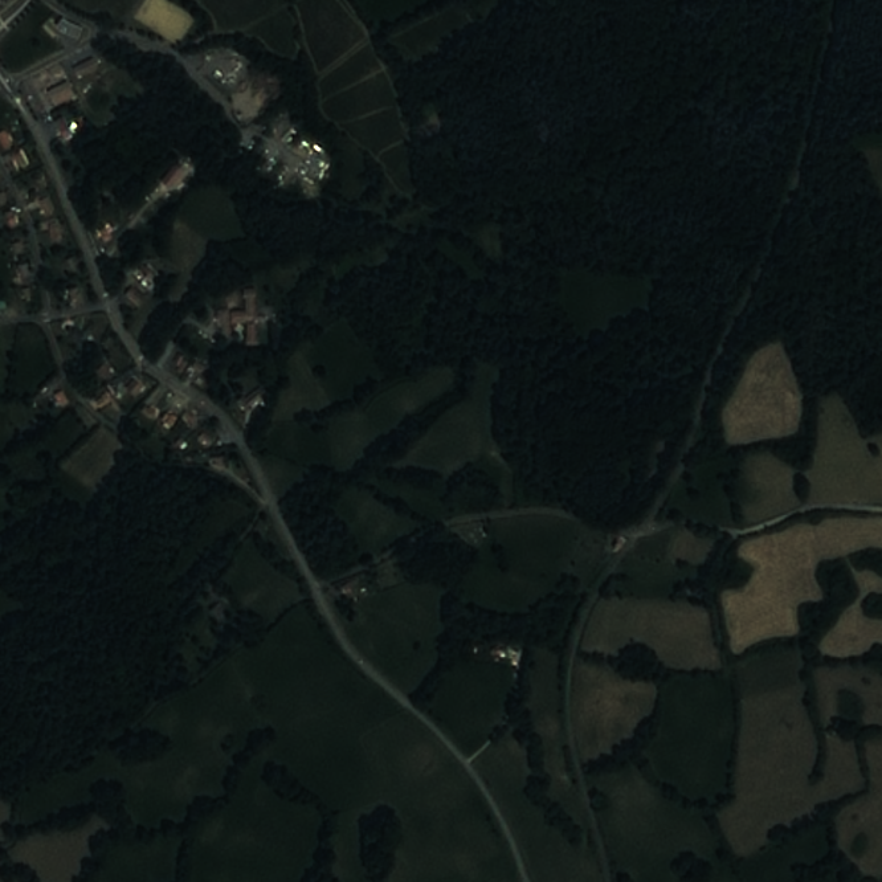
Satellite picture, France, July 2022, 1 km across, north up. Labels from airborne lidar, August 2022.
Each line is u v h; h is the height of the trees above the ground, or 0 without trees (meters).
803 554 0
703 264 11
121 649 18
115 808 18
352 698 0
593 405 30
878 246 17
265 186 14
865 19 23
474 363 15
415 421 12
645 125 19
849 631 0
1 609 0
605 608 0
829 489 0
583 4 20
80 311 0
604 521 18
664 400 27
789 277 16
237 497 7
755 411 0
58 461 7
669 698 0
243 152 11
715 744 0
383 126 0
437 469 0
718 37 18
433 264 21
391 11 0
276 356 17
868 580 0
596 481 25
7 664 16
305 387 0
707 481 0
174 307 7
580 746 0
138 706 8
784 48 23
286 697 0
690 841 0
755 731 0
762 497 0
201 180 20
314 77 8
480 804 0
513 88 15
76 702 13
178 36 0
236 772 17
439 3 16
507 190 21
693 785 0
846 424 0
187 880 14
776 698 0
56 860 0
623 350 8
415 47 0
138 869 0
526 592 0
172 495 11
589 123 23
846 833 0
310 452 0
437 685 10
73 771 13
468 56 20
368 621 0
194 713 0
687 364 21
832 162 18
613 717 0
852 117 25
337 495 15
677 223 27
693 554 0
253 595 0
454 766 0
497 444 15
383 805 0
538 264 14
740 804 0
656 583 0
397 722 0
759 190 21
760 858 0
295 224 24
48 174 0
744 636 0
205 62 0
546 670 0
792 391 0
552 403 31
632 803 0
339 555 15
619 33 22
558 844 0
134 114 18
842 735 21
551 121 27
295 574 7
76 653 18
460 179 7
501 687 0
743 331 17
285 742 0
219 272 18
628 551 0
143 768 0
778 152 18
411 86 17
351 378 0
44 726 20
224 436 0
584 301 0
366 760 0
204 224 0
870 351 8
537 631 10
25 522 19
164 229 21
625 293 0
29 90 0
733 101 13
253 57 10
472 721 0
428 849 0
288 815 0
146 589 10
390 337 11
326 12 0
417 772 0
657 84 20
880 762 0
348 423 0
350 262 0
